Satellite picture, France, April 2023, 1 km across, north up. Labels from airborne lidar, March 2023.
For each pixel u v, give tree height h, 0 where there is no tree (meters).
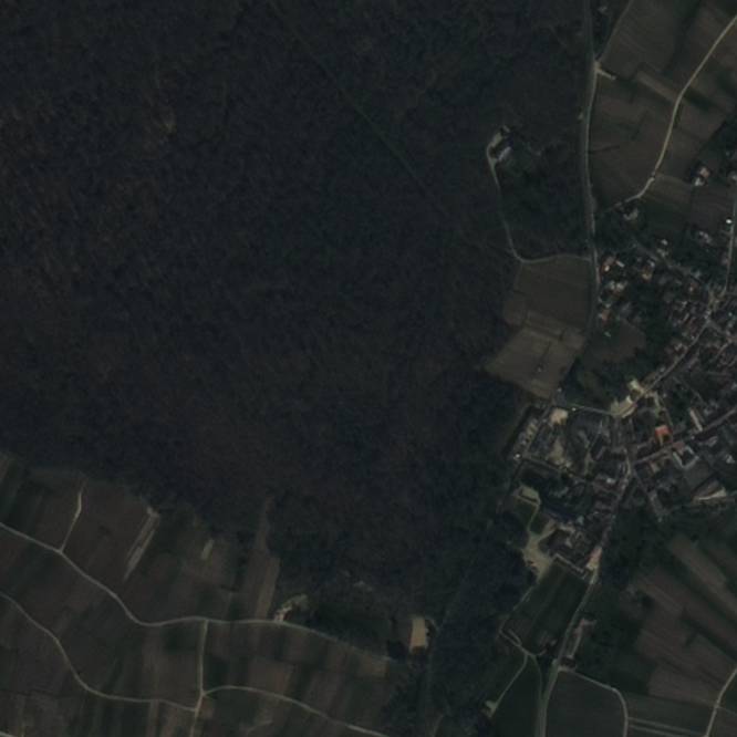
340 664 0
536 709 0
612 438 0
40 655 0
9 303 24
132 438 28
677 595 0
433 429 28
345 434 16
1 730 0
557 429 17
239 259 23
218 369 29
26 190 22
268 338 20
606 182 0
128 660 0
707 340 0
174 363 27
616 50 0
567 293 0
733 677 0
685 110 0
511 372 0
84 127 24
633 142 0
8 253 24
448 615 25
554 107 26
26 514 0
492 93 22
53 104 26
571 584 0
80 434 19
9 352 33
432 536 25
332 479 28
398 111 23
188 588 0
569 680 0
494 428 24
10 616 0
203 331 25
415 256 20
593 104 0
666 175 0
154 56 24
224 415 25
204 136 18
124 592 0
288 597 0
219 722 0
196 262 29
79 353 24
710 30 0
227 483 27
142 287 24
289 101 21
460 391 26
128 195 26
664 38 0
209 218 23
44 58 27
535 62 29
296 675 0
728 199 0
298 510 20
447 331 26
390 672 0
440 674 19
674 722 0
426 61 24
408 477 30
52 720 0
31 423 25
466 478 19
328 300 20
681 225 0
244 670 0
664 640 0
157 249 22
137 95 28
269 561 0
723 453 0
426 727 19
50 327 26
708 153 0
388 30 24
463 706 15
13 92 19
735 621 0
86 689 0
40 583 0
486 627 27
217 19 21
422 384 30
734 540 0
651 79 0
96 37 24
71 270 29
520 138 20
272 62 24
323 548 16
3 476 0
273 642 0
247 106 19
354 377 22
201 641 0
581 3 17
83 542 0
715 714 0
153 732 0
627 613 0
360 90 19
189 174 22
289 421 23
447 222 21
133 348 24
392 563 18
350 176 23
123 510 0
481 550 31
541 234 28
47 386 26
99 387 30
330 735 0
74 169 22
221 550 0
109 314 26
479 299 19
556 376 0
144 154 23
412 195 19
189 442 25
